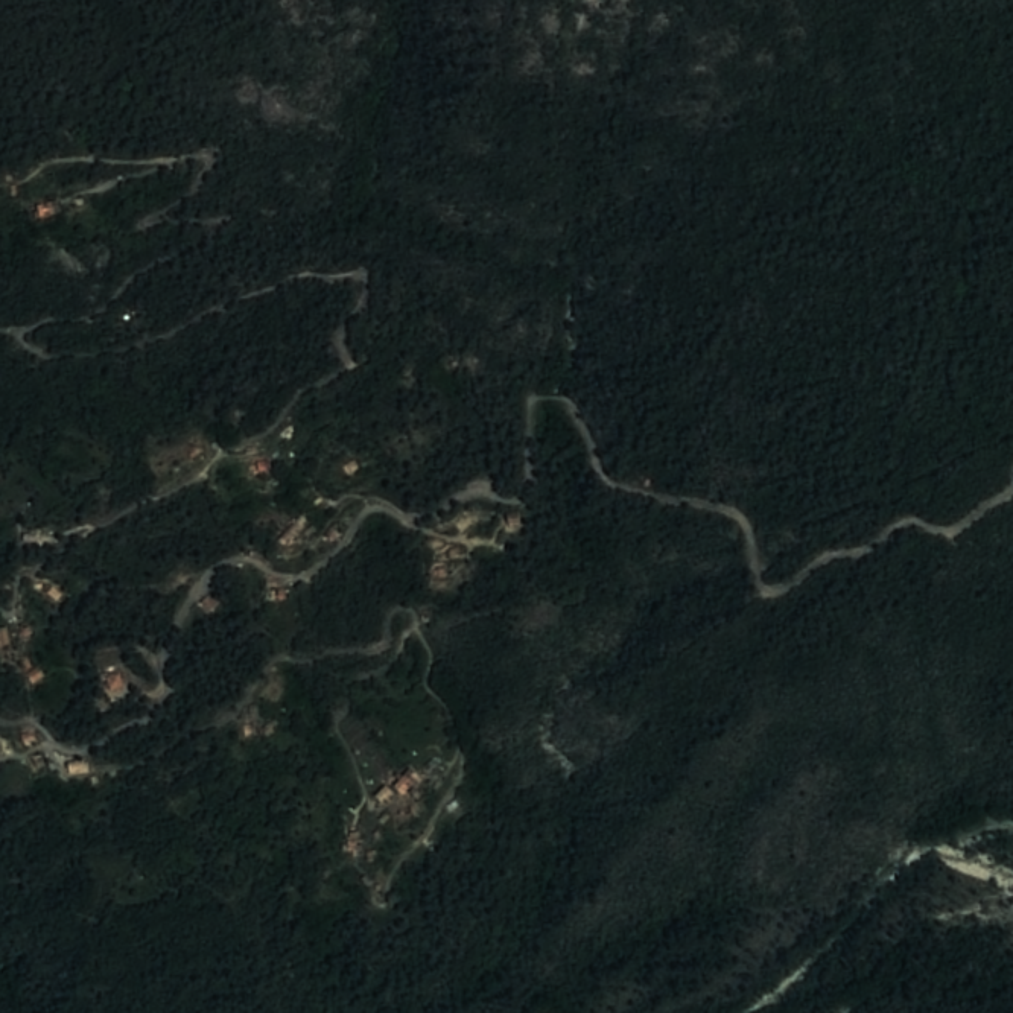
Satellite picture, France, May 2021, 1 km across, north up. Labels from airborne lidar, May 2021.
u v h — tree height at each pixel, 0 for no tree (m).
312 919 11
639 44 18
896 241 9
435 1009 18
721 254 18
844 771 6
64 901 15
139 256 9
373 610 8
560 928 13
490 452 17
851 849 6
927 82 10
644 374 10
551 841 11
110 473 11
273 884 13
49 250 7
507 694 15
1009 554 11
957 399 21
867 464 16
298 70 6
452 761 0
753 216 15
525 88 7
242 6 9
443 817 0
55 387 10
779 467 26
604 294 7
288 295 22
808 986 13
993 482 9
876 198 16
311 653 8
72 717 11
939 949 17
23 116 6
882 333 18
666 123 6
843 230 25
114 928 10
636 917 9
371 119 7
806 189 10
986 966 10
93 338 8
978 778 13
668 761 9
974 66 13
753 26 12
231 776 15
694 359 8
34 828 8
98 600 25
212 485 9
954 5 7
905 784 7
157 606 22
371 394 12
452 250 16
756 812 7
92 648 25
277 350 14
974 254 18
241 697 14
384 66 16
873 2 8
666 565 6
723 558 8
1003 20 8
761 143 13
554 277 18
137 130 22
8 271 11
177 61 21
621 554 9
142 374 12
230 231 18
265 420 16
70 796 9
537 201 6
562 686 9
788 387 17
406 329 11
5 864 8
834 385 15
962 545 10
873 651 13
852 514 25
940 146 24
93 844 14
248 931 10
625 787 6
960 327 9
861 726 7
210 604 0
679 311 7
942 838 16
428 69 13
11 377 17
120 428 12
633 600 17
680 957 12
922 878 20
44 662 8
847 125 9
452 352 9
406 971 20
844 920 16
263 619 12
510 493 15
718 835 10
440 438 7
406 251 6
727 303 7
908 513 9
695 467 23
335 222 16
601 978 27
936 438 10
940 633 9
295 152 9
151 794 11
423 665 13
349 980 14
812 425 25
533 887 19
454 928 22
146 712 14
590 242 14
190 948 16
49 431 9
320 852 17
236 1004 27
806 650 21
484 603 8
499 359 10
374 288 17
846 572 11
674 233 7
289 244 14
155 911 13
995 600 11
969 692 8
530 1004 9
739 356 12
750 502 10
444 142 8
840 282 14
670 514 13
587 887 9
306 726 13
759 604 8
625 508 20
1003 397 14
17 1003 16
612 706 9
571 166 11
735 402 23
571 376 16
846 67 10
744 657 12
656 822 5
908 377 6
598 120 7
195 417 13
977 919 7
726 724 16
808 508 20
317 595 10
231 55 7
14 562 21
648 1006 7
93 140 14
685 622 10
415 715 0
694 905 18
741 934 14
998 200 8
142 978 12
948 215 13
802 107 13
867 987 22
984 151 9
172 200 11
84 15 16
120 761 14
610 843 7
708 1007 7
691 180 5
